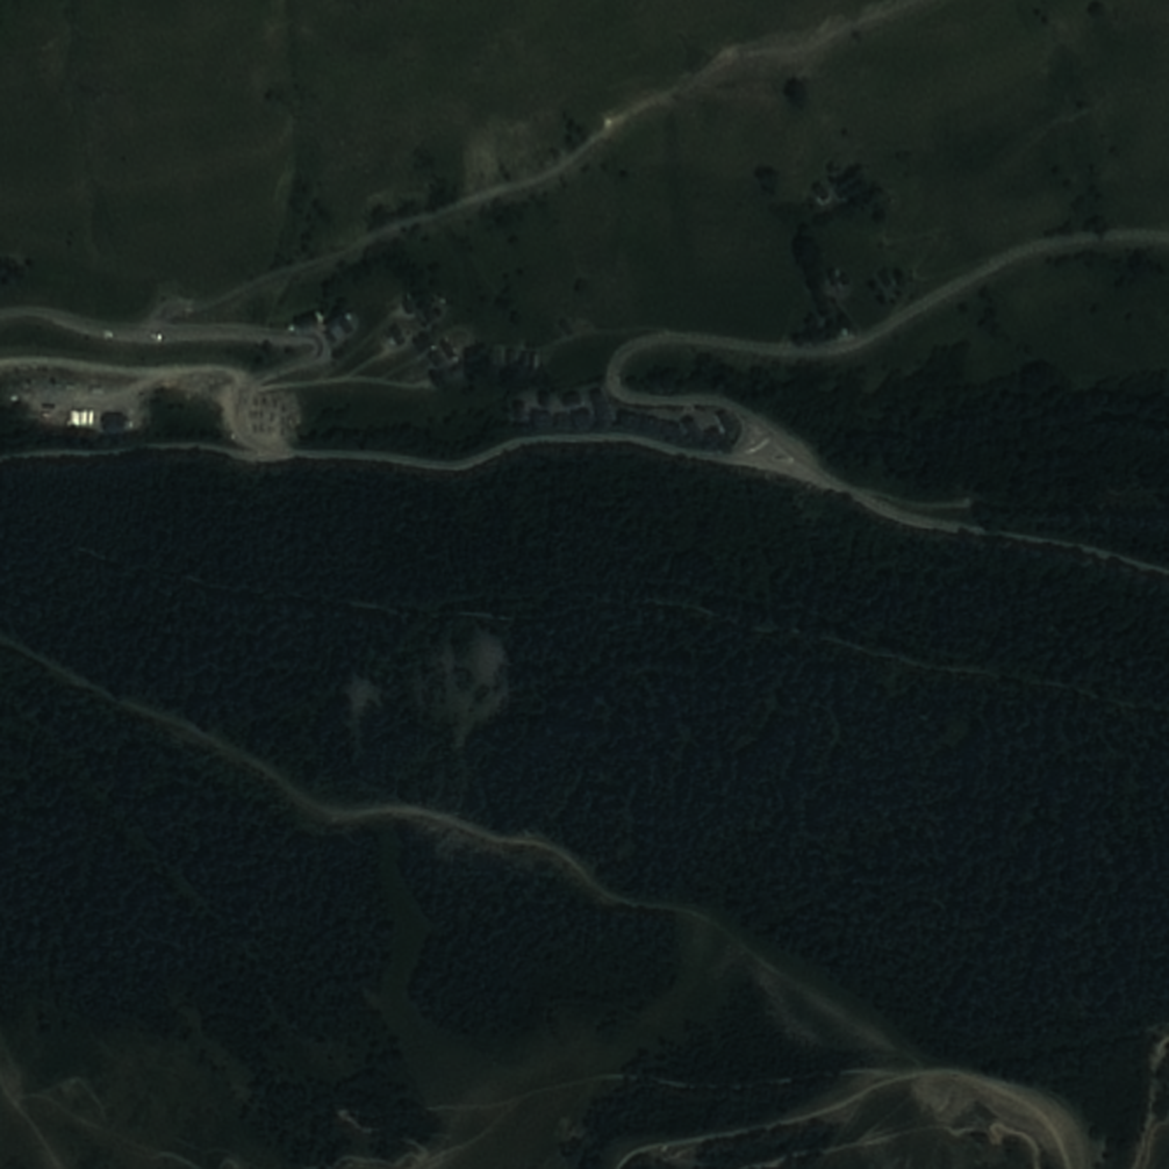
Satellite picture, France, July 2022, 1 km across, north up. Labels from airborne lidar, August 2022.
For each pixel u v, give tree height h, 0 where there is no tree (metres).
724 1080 8
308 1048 0
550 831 16
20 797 13
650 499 17
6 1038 0
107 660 22
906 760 17
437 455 7
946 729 25
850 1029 0
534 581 14
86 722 25
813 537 14
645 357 0
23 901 25
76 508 18
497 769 11
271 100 8
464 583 8
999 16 0
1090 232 7
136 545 17
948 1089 0
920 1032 12
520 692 9
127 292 0
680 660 30
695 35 0
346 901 10
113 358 0
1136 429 21
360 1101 11
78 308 0
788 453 0
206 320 0
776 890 15
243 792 12
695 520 7
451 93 0
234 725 16
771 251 0
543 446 10
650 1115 9
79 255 0
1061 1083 8
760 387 11
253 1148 0
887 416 6
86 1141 0
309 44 0
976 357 0
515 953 14
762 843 16
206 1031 9
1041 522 10
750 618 20
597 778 20
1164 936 11
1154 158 0
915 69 0
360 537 18
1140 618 21
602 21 0
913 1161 0
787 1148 10
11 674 10
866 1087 0
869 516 10
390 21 0
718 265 0
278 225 0
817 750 11
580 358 0
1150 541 19
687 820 13
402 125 0
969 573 15
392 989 0
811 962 6
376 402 0
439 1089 0
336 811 0
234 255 0
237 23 0
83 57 0
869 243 0
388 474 8
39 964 17
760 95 0
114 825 13
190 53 0
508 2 0
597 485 10
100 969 12
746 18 0
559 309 0
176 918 9
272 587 22
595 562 15
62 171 0
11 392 0
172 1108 0
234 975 12
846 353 0
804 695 22
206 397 0
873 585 19
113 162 0
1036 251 0
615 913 9
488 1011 10
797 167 0
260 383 0
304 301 0
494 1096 0
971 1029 12
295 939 12
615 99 0
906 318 0
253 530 13
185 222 0
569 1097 0
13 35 0
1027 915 22
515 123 0
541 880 10
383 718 24
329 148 0
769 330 0
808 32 0
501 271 0
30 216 0
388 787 8
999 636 13
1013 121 0
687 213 0
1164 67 0
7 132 0
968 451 18
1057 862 19
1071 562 14
